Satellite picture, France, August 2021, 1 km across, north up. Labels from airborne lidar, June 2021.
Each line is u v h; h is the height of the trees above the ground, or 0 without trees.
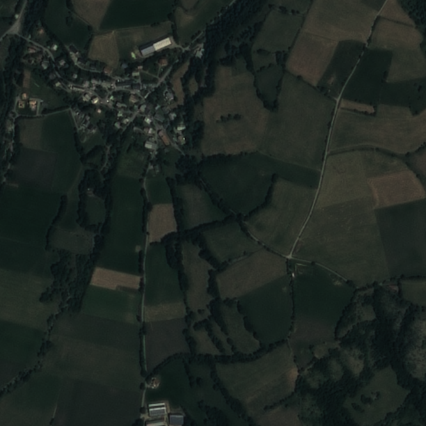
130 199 0
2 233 0
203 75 13
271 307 0
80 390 0
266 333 0
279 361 0
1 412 0
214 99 0
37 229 0
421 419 9
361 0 0
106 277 0
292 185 0
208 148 0
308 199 0
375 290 7
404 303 11
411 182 0
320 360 6
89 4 0
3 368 0
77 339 0
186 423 14
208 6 0
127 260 0
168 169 0
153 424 0
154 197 0
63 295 9
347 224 0
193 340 16
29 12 8
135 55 0
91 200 0
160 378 0
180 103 0
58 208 0
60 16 0
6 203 0
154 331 0
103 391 0
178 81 0
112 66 0
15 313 0
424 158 0
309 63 0
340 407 16
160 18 0
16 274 0
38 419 0
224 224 11
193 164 13
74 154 0
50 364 0
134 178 0
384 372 0
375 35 0
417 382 22
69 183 0
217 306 17
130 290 0
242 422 0
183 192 0
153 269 0
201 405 16
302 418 8
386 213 0
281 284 0
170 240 19
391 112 0
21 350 0
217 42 18
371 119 0
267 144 0
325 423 13
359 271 0
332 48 0
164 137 0
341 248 0
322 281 0
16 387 8
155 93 11
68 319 0
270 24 0
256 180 0
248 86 0
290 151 0
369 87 0
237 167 0
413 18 12
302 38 0
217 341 12
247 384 0
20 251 0
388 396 0
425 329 0
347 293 0
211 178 0
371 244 0
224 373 0
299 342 0
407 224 0
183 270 11
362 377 9
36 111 0
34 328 0
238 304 7
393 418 15
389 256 0
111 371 0
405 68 0
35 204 0
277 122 0
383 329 16
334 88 0
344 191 0
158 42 0
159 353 0
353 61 0
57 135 0
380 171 0
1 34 0
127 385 0
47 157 0
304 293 0
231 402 12
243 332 0
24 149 0
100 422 0
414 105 0
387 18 0
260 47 0
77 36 0
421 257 0
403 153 0
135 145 11
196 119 0
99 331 0
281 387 0
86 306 0
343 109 0
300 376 7
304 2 0
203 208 0
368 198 0
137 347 0
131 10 0
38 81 0
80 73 14
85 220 14
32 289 0
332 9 0
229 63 14
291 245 0
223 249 0
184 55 14
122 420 0
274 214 0
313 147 0
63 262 11
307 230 0
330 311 0
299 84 0
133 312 0
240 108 0
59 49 7
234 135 0
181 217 9
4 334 0
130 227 0
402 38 0
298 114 0
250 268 0
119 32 0
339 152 0
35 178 0
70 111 0
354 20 0
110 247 0
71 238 0
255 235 0
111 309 0
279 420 0
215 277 8
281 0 0
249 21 11
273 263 0
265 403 0
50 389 0
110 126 7
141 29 0
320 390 15
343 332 0
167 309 0
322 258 0
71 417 0
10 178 12
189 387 0
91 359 0
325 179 0
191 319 12
